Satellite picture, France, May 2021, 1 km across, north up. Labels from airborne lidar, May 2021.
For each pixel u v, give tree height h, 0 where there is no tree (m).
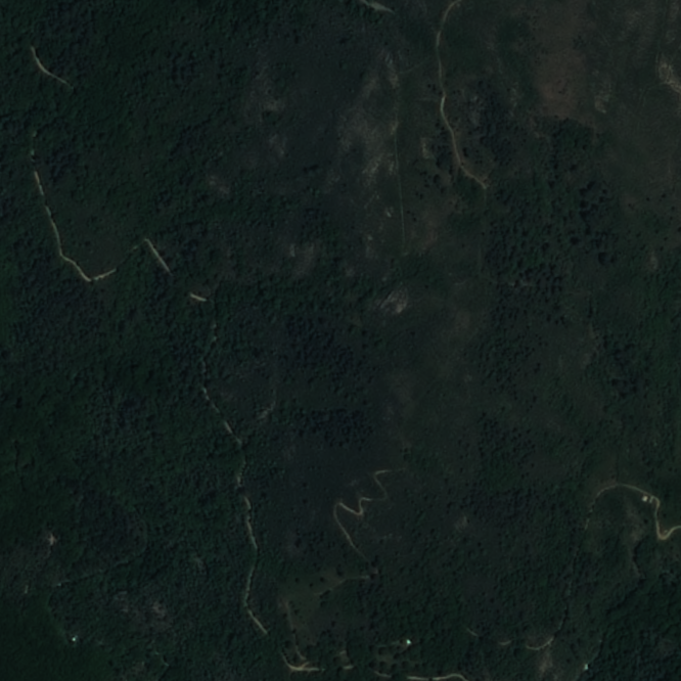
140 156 8
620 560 22
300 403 6
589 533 13
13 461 14
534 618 7
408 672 6
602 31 0
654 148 0
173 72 9
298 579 8
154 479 14
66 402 21
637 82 0
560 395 7
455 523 0
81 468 16
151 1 18
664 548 9
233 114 9
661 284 8
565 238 18
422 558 9
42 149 8
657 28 0
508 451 9
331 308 8
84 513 14
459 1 0
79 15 20
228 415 9
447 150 15
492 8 0
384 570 6
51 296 20
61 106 23
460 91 8
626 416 14
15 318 12
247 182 9
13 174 16
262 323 6
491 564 6
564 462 8
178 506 14
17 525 26
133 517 17
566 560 15
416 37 6
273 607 8
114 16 13
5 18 19
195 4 14
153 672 7
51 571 11
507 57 5
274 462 8
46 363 18
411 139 0
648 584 24
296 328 14
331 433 11
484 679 11
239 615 11
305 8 8
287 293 17
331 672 10
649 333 11
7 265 15
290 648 10
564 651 8
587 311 9
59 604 20
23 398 25
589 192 19
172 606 11
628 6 0
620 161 0
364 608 10
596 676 11
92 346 11
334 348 12
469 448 16
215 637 16
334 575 0
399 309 0
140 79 10
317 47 6
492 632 15
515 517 18
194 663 7
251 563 11
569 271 8
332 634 14
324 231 8
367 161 0
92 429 11
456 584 14
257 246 9
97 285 9
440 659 18
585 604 8
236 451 13
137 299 15
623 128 0
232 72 8
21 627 16
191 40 6
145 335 15
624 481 0
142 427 12
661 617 18
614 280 7
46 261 15
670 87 0
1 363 9
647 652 9
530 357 13
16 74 16
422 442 8
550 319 15
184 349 14
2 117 12
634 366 14
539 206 15
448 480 11
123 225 8
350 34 7
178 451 12
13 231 14
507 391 12
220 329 10
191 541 13
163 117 11
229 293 17
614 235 21
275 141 0
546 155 12
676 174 0
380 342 10
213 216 11
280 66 8
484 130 16
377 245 0
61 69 19
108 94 19
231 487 8
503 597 11
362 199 0
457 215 6
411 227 0
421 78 0
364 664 9
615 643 18
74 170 15
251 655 14
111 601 7
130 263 14
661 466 17
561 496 15
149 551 15
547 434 11
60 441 18
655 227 8
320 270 6
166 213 9
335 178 0
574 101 0
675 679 17
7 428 21
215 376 8
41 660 16
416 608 7
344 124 0
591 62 0
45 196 7
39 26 11
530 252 15
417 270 6
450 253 0
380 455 0
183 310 17
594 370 9
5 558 9
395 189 0
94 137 12
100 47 16
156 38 9
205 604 6
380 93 0
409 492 7
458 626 19
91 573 8
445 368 0
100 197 6
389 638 10
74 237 9
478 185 7
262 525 7
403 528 9
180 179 6
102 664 10
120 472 12
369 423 5
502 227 10
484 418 14
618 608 20
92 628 10
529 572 11
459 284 0
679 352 18
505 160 12
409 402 0
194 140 15
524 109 6
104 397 7
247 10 17
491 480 19
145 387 22
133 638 14
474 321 0
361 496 0
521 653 21
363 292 6
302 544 14
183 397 15
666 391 12
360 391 9
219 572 15
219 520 24
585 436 5
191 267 14
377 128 0
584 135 6
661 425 7
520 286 18
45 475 19
